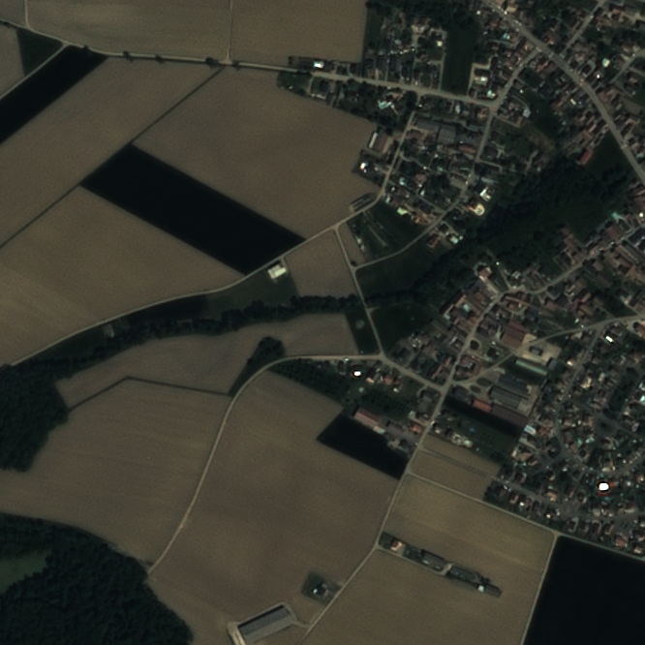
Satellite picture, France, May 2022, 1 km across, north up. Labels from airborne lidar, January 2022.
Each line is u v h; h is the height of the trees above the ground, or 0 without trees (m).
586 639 0
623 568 0
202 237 0
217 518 0
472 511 0
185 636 22
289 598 0
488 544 0
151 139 0
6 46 0
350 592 0
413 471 0
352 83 11
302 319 0
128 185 0
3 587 0
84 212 0
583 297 0
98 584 23
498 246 0
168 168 0
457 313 0
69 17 0
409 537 0
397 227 0
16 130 0
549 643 0
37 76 0
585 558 0
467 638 0
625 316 0
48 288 0
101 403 0
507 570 0
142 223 0
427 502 0
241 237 0
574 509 0
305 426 0
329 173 0
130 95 0
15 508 0
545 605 0
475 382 0
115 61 0
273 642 0
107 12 0
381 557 0
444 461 0
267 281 0
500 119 0
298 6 0
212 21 0
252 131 0
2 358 0
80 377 0
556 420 0
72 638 25
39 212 0
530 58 0
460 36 0
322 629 0
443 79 0
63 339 0
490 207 0
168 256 0
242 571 0
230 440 0
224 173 0
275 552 0
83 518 0
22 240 0
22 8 0
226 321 19
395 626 0
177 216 0
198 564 0
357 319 0
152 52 0
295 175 0
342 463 0
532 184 10
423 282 13
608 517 0
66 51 0
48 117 0
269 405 0
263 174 0
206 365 0
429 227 0
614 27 0
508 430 0
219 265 0
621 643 0
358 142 0
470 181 0
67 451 0
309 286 0
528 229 0
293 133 0
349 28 0
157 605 21
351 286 0
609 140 0
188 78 0
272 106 0
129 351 0
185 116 0
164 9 0
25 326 0
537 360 0
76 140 0
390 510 0
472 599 0
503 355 0
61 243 0
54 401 21
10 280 0
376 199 0
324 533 0
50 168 0
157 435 0
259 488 0
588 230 0
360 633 0
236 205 0
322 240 0
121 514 0
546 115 0
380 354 0
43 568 0
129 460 0
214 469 0
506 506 0
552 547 0
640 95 0
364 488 0
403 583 0
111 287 0
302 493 0
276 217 0
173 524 0
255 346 0
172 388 0
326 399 0
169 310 0
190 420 0
